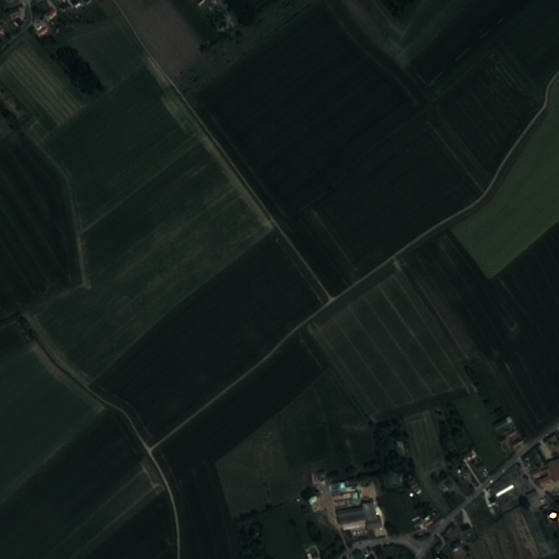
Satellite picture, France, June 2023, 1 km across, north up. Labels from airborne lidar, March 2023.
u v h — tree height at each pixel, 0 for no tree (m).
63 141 0
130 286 0
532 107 0
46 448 0
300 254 0
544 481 0
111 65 0
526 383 0
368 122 0
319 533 13
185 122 0
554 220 0
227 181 0
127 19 0
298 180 0
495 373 0
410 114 0
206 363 0
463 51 0
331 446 0
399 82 0
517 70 0
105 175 0
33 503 0
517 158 0
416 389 0
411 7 0
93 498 0
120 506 0
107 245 0
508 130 0
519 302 0
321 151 0
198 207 0
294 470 0
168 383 0
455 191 0
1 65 0
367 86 0
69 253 0
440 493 0
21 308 0
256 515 13
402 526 0
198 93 0
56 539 0
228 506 0
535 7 0
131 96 0
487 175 0
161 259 0
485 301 0
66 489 0
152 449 0
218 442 0
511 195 0
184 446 0
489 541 0
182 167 0
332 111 0
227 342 0
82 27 0
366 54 0
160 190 0
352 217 0
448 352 0
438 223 0
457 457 9
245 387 0
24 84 0
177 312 0
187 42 0
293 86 0
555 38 0
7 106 0
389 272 0
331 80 0
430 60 0
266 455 0
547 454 0
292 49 0
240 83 0
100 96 0
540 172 0
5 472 0
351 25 0
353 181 0
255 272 0
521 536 0
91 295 0
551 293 0
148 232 0
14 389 0
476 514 0
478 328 0
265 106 0
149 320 0
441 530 0
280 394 0
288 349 0
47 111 0
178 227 0
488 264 0
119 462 0
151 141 0
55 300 0
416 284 0
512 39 0
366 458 0
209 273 0
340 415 0
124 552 0
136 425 0
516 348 0
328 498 0
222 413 0
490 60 0
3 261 0
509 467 0
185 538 0
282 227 0
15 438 0
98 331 0
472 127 0
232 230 0
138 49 0
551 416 0
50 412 0
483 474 0
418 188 0
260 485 0
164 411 0
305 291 0
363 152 0
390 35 0
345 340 0
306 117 0
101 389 0
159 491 0
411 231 0
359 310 0
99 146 0
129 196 0
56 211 0
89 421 0
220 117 0
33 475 0
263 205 0
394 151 0
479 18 0
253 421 0
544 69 0
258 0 0
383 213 0
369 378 0
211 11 0
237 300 0
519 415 0
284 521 0
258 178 0
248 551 7
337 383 0
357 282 0
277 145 0
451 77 0
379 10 0
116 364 0
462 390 0
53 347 0
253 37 0
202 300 0
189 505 0
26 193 0
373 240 0
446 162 0
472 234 0
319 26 0
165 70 0
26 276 0
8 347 0
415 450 0
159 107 0
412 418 0
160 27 0
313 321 0
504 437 6
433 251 0
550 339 0
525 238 0
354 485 0
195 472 0
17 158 0
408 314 0
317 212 0
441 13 0
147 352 0
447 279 0
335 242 0
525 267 0
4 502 0
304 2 0
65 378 0
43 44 9
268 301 0
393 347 0
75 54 16
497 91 0
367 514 0
